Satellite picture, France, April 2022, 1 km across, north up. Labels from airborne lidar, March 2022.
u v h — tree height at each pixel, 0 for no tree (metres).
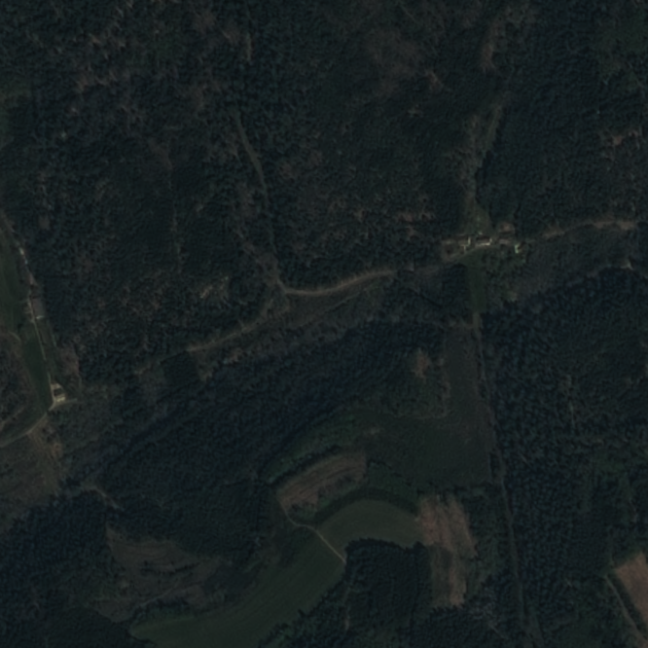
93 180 10
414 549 0
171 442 9
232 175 28
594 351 8
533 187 13
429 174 9
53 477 0
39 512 11
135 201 9
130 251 9
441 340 11
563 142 16
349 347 11
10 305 0
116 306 7
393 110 10
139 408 24
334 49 11
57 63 19
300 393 9
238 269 23
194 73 22
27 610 12
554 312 8
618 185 19
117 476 22
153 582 0
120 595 8
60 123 27
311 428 17
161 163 10
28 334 0
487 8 21
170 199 9
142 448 26
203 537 20
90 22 23
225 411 13
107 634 10
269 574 0
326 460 22
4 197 10
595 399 7
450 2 18
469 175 14
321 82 10
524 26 13
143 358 15
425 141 16
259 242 19
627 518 16
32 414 0
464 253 0
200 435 14
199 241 9
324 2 8
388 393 10
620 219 15
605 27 18
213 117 19
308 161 8
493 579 9
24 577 15
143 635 0
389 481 18
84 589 13
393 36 13
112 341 8
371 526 0
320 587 0
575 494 24
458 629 32
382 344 12
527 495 31
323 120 8
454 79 12
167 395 21
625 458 18
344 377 11
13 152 8
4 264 0
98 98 27
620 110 21
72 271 9
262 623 0
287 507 0
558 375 16
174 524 15
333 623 7
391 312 18
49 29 6
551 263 16
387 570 25
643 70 22
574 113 18
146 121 15
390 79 10
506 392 26
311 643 15
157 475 6
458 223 22
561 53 14
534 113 9
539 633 18
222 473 8
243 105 17
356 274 17
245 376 21
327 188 8
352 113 9
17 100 10
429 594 24
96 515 22
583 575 23
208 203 8
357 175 9
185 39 13
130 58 14
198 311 29
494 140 0
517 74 12
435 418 6
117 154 16
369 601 5
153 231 9
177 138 10
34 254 19
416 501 14
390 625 25
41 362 0
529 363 28
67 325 12
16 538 13
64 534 17
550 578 24
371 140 11
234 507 13
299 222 8
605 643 9
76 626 7
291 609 0
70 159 12
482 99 30
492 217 11
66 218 31
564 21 18
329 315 7
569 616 23
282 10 8
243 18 20
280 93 19
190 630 0
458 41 14
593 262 13
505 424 28
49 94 21
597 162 22
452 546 0
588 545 24
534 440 28
